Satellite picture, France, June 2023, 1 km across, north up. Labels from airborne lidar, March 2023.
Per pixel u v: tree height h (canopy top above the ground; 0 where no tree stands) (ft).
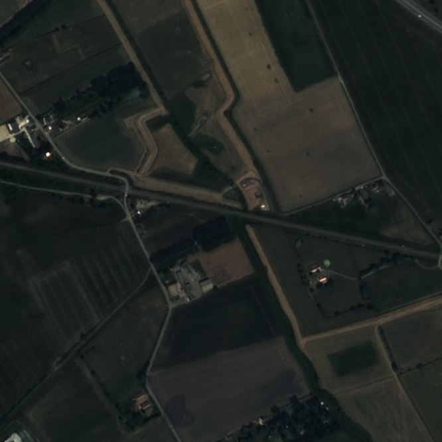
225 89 0
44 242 0
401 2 0
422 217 0
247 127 0
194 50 0
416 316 0
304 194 0
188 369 0
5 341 0
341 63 0
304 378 0
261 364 0
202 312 0
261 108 0
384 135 0
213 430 0
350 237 0
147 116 0
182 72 0
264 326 0
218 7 0
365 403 0
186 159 0
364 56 0
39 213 0
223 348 0
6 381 0
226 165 0
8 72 0
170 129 0
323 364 0
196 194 0
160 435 0
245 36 0
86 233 0
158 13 0
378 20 0
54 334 0
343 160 0
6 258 0
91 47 0
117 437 0
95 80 0
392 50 0
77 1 0
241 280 0
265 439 19
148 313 0
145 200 0
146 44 0
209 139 0
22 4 0
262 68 0
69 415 0
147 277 0
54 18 0
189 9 0
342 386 0
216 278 0
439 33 0
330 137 0
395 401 0
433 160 0
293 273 0
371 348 0
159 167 0
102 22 0
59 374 0
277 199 0
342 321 0
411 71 0
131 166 0
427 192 0
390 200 0
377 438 0
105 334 0
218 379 0
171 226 0
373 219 0
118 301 0
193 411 0
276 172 0
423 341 0
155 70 0
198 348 0
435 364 0
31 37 0
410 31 0
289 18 0
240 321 0
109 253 0
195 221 0
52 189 0
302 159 0
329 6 0
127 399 0
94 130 0
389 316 0
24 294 0
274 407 0
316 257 0
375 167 0
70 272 0
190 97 0
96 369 0
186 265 0
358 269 0
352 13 0
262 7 0
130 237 0
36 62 0
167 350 0
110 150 0
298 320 0
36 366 0
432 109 0
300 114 0
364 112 0
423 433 0
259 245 0
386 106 0
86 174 17
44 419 0
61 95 0
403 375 0
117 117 0
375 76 0
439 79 0
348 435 0
